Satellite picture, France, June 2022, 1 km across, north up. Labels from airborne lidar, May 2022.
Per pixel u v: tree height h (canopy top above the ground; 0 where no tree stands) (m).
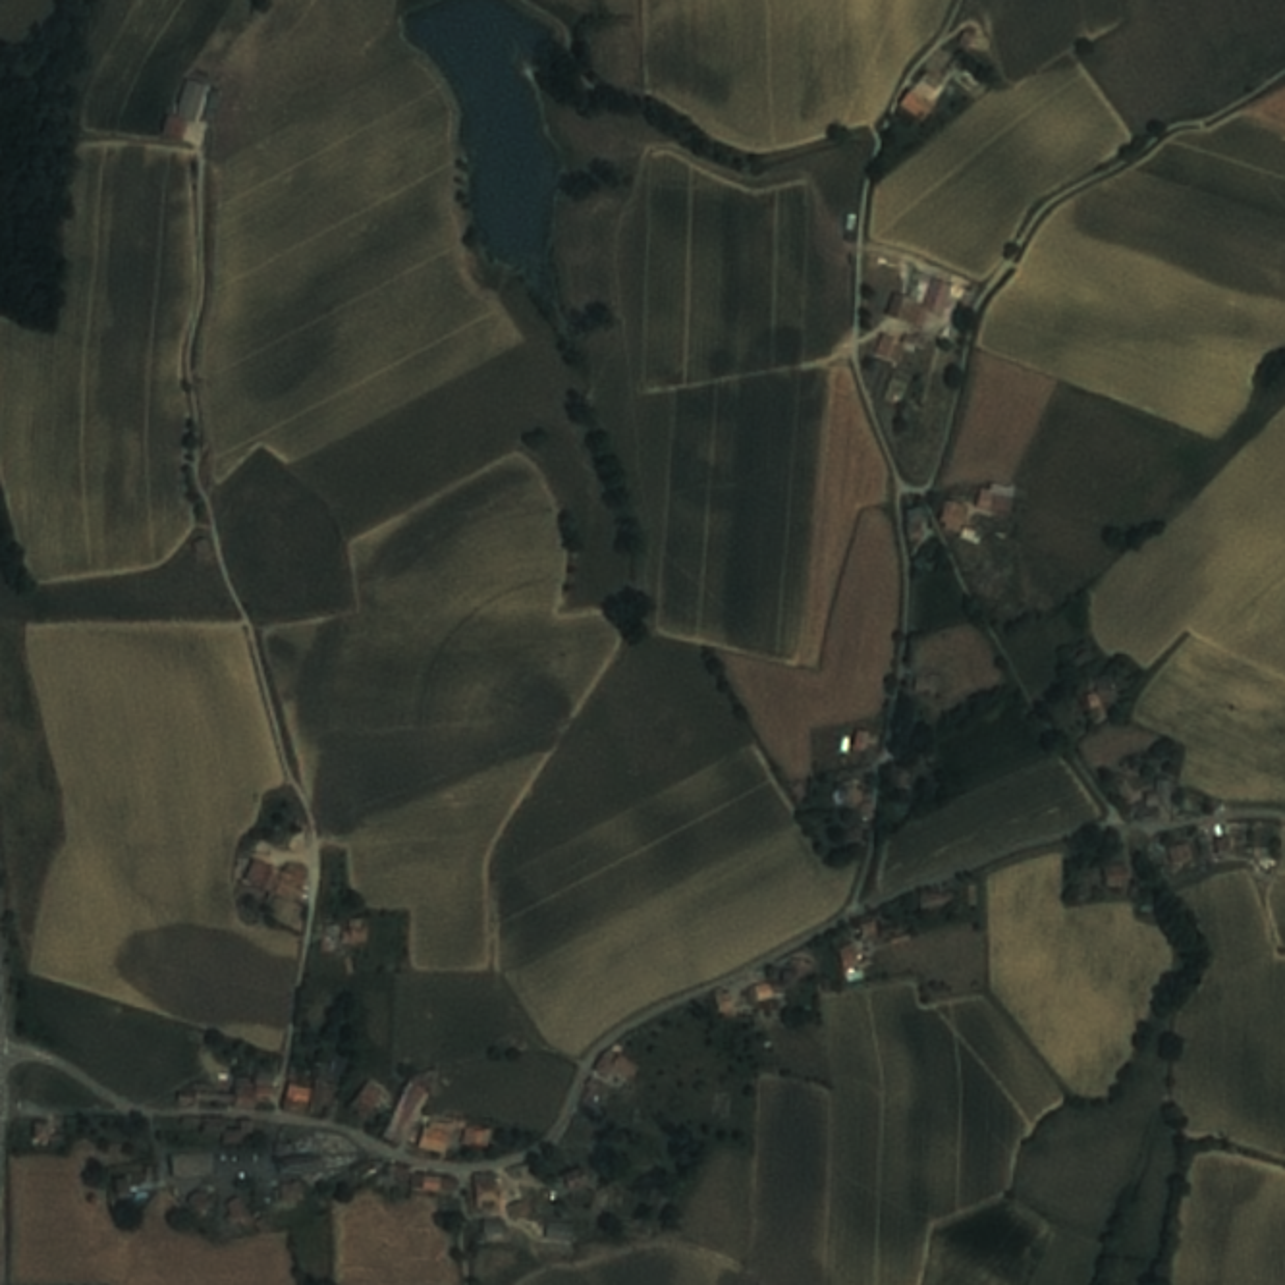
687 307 0
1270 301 0
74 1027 0
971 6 0
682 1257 0
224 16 0
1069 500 0
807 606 0
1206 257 0
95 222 0
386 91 0
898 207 0
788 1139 0
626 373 0
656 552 0
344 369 0
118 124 0
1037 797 0
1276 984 0
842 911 0
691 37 0
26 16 0
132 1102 0
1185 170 0
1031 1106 0
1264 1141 0
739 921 0
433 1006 0
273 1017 0
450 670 0
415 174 0
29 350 0
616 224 0
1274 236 0
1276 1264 0
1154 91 0
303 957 0
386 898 0
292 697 0
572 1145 0
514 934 0
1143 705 0
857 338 0
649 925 0
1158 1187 0
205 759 0
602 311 17
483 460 0
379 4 0
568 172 0
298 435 0
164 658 0
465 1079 0
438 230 0
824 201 0
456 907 0
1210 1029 0
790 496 0
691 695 0
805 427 0
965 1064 0
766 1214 0
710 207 0
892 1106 0
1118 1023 0
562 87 16
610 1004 0
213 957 0
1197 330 0
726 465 0
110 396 0
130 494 0
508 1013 0
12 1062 0
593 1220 0
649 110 15
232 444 0
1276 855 8
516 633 0
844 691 0
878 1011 0
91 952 0
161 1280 0
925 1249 0
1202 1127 0
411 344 0
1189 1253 0
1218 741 0
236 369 0
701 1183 0
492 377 0
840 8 0
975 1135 0
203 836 0
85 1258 0
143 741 0
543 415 0
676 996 0
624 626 21
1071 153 0
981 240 0
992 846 0
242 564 0
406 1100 0
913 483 0
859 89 0
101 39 0
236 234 0
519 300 0
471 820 0
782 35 0
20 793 0
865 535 0
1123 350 0
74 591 0
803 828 6
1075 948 0
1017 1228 0
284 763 0
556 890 0
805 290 0
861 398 0
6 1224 0
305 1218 0
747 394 0
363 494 0
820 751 0
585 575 0
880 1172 0
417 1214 0
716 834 0
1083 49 11
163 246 0
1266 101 0
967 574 0
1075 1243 0
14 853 0
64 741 0
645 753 0
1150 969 0
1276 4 0
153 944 0
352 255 0
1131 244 0
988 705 19
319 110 0
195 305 0
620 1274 0
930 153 0
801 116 0
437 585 0
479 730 0
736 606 0
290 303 0
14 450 0
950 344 11
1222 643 0
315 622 0
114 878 0
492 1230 0
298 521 0
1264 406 0
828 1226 0
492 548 0
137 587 0
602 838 0
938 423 0
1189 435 0
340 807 0
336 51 0
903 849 0
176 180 0
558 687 0
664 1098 0
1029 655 0
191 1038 0
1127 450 0
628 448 0
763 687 0
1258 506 0
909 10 0
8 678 0
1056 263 0
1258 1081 0
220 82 0
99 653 0
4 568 8
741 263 0
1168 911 24
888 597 0
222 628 0
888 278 0
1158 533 11
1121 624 0
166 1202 0
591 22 8
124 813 0
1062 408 0
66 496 0
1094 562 0
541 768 0
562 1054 0
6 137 18
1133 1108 0
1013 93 0
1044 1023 0
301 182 0
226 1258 0
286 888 0
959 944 0
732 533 0
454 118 0
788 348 0
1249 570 0
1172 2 0
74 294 0
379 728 0
